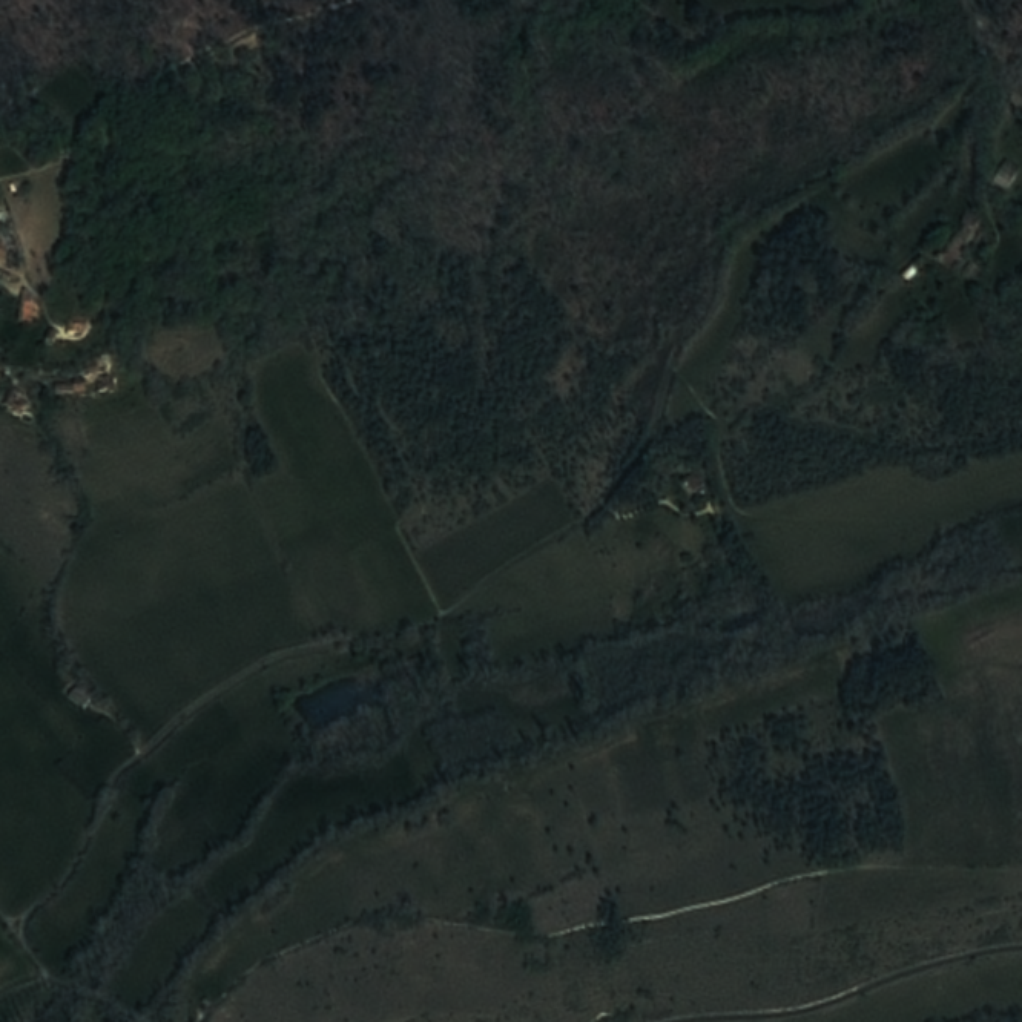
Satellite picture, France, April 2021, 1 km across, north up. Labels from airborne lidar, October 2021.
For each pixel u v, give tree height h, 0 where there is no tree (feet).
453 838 0
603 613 0
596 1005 0
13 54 39
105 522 0
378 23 31
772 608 55
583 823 0
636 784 0
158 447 0
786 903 0
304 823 0
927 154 0
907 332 49
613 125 46
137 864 51
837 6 0
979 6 29
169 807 41
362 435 19
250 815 22
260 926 0
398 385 32
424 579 0
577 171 66
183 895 55
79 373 52
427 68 32
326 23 28
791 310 43
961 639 0
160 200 83
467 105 37
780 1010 0
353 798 0
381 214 55
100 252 79
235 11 40
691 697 66
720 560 44
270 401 0
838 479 26
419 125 42
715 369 0
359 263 49
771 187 31
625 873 0
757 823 28
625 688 47
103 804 56
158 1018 27
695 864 0
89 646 0
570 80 26
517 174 64
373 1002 0
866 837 30
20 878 0
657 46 75
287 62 24
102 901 0
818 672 0
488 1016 0
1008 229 33
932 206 0
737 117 63
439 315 37
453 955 0
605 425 32
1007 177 0
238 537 0
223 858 52
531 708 0
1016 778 0
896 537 0
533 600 0
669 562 0
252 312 83
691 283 30
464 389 49
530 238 53
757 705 0
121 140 67
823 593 0
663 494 48
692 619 51
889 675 68
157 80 51
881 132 30
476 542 0
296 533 0
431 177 49
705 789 0
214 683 0
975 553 62
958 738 0
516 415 24
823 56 68
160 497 0
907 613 79
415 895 0
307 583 0
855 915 0
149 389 60
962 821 0
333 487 0
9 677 0
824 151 37
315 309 63
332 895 0
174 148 77
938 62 34
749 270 0
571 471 21
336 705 0
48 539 0
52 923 0
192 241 108
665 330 43
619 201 43
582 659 52
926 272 20
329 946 0
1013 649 0
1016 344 77
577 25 54
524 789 0
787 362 0
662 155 61
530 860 0
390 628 0
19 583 0
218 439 0
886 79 38
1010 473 0
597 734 52
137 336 68
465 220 67
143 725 0
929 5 27
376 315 71
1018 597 0
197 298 72
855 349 0
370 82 85
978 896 0
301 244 87
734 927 0
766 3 0
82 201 49
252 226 82
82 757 0
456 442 29
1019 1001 0
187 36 0
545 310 59
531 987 0
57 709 0
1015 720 0
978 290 51
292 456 0
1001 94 63
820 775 29
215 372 28
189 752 0
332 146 31
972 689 0
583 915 0
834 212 0
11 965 0
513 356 38
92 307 50
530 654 0
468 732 57
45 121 49
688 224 21
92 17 61
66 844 0
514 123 45
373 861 0
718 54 71
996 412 78
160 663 0
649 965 0
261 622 0
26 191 25
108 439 0
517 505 0
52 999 32
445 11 55
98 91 32
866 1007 0
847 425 27
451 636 0
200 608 0
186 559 0
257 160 38
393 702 74
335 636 54
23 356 0
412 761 0
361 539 0
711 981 0
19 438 0
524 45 39
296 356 0
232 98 74
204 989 0
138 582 0
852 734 35
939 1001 0
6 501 0
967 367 56
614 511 44
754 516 0
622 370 74
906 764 0
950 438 32
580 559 0
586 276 31
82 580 0
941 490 0
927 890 0
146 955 0
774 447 54
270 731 0
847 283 50
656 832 0
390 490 52
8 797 0
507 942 0
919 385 65
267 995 0
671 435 40
